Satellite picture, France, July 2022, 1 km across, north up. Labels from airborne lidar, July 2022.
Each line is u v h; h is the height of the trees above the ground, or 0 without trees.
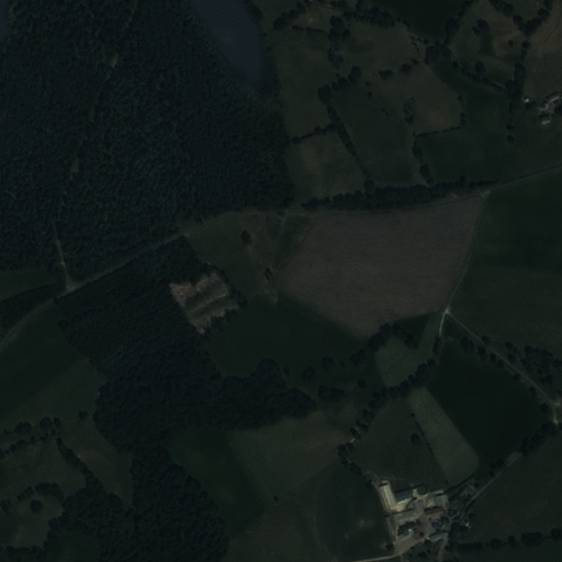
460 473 0
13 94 21
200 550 27
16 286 0
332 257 0
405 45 0
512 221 0
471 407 0
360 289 0
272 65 0
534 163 0
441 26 0
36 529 0
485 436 0
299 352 0
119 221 22
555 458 0
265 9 0
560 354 0
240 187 23
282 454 0
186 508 26
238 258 0
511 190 0
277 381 16
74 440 0
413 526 8
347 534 0
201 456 0
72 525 19
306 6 16
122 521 23
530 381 0
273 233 0
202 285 0
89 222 27
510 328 0
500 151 0
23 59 19
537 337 0
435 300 0
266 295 0
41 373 0
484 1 0
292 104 0
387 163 0
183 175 29
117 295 10
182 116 18
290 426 0
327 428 0
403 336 17
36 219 33
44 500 0
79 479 0
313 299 0
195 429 0
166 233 15
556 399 0
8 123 17
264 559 0
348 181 0
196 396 28
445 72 0
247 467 0
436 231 0
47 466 0
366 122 0
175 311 12
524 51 16
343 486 0
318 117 0
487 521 0
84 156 26
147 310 13
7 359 0
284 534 0
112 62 0
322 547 0
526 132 0
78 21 20
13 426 0
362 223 0
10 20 11
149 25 18
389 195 19
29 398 0
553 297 0
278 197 14
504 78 0
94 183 24
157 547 28
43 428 16
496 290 0
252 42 0
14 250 28
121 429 21
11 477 0
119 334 12
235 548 0
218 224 0
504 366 12
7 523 0
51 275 16
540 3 0
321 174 0
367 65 0
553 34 0
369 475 0
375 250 0
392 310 0
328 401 11
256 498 0
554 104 7
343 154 0
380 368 0
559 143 0
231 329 0
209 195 17
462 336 0
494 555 0
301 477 0
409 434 0
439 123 0
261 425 18
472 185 10
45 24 27
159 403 24
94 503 11
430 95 0
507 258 0
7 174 29
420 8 0
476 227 0
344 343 0
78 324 18
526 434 0
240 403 24
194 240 0
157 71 22
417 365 0
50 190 18
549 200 0
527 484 0
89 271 15
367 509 0
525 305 0
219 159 14
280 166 11
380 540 0
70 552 0
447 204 0
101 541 17
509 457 0
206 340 15
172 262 8
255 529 0
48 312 0
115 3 27
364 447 0
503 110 0
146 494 25
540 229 0
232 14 0
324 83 0
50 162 22
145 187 29
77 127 20
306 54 0
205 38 15
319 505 0
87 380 0
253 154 16
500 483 0
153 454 26
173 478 25
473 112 0
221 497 0
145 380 24
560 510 0
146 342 12
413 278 0
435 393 0
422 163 7
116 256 17
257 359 0
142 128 34
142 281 12
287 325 0
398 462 0
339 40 22
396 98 0
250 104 12
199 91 20
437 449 0
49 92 23
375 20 17
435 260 0
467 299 0
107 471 0
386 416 0
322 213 0
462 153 0
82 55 20
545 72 0
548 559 0
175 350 23
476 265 0
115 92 36
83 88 25
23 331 0
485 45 0
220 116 20
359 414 0
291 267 0
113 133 35
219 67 22
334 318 0
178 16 16
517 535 0
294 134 0
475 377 0
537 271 0
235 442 0
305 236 0
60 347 0
